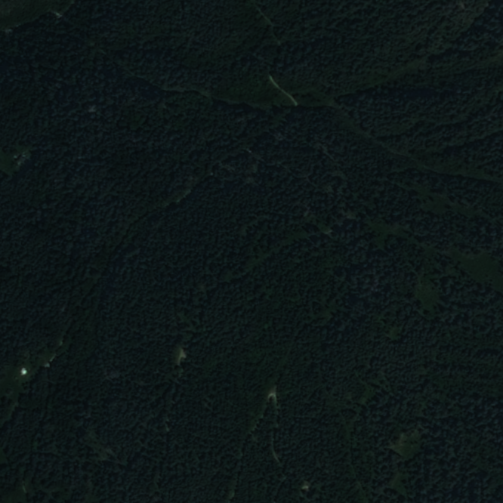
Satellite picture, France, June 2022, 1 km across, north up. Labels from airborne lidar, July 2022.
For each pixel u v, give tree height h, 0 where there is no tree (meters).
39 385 27
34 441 17
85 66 20
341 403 13
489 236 9
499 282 0
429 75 8
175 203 12
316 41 7
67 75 24
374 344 21
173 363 25
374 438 8
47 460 20
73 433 11
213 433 19
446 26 7
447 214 8
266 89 15
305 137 20
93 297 11
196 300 21
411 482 11
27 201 25
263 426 9
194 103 23
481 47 18
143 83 9
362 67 23
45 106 30
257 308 24
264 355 7
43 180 25
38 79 22
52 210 24
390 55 24
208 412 24
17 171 0
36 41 23
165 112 20
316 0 31
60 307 25
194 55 27
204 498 23
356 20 12
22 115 21
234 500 12
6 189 26
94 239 32
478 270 0
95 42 20
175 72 30
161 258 7
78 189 36
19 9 16
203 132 32
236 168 16
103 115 16
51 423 20
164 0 29
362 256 30
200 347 24
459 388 6
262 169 24
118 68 13
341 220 25
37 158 26
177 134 24
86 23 17
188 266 8
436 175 8
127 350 20
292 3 31
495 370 5
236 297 28
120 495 25
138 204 29
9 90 30
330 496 10
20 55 16
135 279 19
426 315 13
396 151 14
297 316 20
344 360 21
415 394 36
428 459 7
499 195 6
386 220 8
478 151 36
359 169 23
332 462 19
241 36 22
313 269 13
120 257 10
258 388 16
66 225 24
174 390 21
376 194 12
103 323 12
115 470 28
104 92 35
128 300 22
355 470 8
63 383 13
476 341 19
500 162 9
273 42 15
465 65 10
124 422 27
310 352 10
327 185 27
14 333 19
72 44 33
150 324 24
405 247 22
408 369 16
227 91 14
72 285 15
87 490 31
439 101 22
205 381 14
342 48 23
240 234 15
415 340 29
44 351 9
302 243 12
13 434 30
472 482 6
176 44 30
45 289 23
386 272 15
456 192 13
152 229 15
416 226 30
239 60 27
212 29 36
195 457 17
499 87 15
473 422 24
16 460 20
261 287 23
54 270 29
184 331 28
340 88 19
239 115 37
